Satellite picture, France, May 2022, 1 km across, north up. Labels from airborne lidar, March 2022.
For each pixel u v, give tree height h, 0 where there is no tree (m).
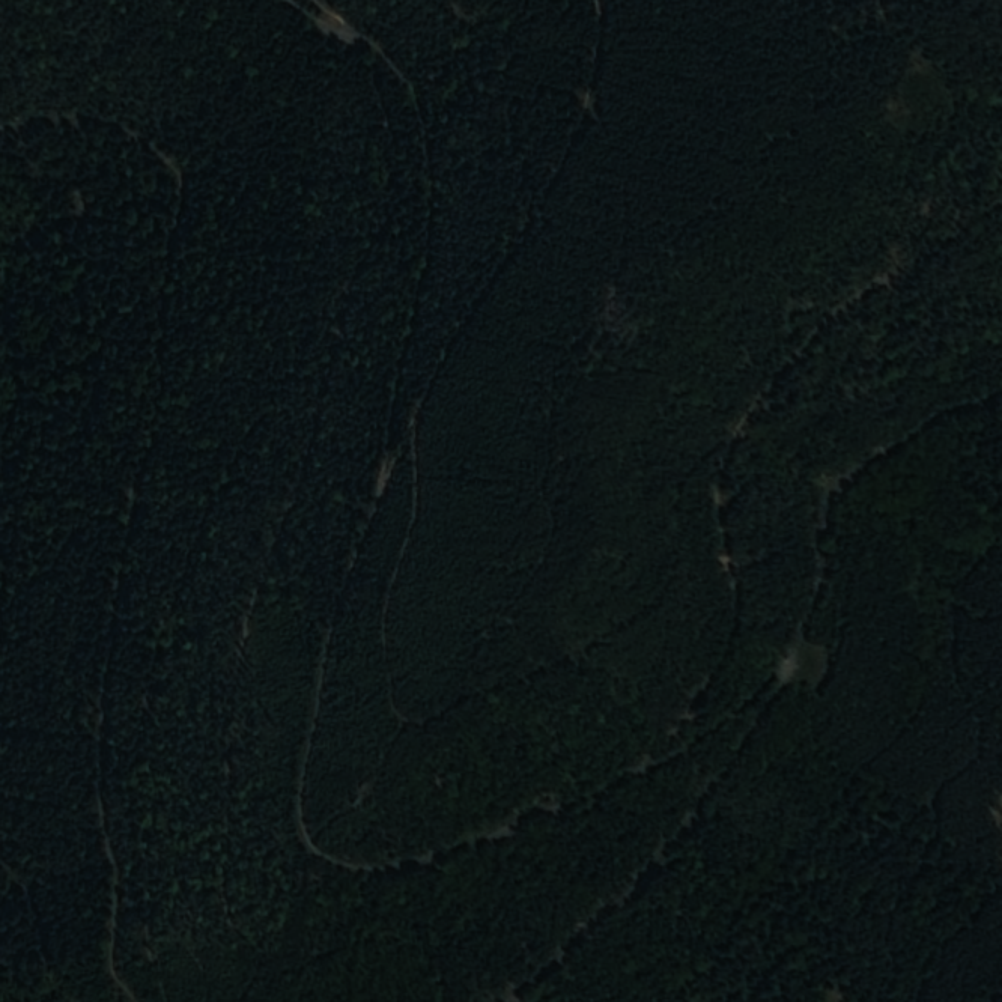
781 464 15
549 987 14
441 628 7
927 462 21
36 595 30
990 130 22
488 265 20
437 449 8
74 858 24
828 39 20
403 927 13
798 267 7
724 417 11
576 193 15
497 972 17
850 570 14
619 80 20
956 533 25
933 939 19
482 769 16
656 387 12
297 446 20
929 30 17
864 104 16
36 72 23
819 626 14
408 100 19
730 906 18
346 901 13
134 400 31
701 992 12
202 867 15
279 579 28
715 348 9
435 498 7
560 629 16
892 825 20
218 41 21
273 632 6
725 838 20
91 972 7
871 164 10
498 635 14
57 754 25
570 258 18
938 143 9
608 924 19
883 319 9
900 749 26
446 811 16
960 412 23
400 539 9
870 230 9
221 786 22
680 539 13
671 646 14
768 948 25
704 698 20
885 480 17
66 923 24
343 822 7
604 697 16
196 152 16
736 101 19
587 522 11
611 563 15
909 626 20
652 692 19
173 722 7
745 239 11
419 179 20
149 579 26
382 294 27
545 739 14
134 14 23
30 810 26
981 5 19
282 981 13
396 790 10
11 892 10
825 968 28
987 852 25
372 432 22
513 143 10
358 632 11
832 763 11
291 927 15
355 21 10
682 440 11
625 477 13
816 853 25
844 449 13
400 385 13
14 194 26
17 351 36
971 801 23
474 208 20
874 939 21
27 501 28
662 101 20
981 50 16
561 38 18
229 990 7
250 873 17
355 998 17
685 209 17
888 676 20
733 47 18
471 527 7
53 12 18
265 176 25
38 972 34
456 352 12
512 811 15
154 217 6
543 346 17
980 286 11
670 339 17
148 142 14
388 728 6
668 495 13
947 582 19
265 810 22
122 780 23
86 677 21
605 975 14
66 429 32
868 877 22
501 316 18
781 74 19
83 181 22
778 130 15
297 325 22
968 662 25
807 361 13
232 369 19
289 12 18
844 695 17
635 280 16
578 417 14
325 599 22
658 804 16
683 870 20
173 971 6
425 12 13
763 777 22
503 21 20
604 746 13
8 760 27
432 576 6
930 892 19
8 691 20
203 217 26
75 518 28
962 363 17
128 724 18
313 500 8
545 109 13
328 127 15
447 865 20
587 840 19
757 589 10
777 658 14
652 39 20
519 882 20
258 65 18
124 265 24
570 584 16
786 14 16
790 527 11
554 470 13
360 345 24
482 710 15
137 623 31
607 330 13
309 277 21
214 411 22
